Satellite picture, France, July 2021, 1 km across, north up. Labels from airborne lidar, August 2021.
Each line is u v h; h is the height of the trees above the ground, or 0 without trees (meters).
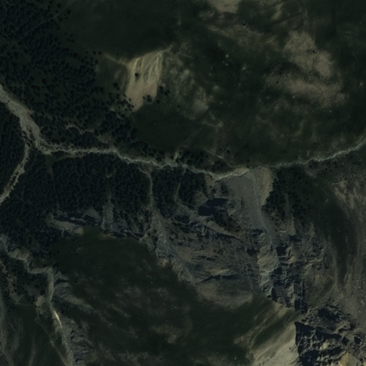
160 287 0
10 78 24
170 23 0
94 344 0
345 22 0
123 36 0
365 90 0
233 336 0
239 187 0
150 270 0
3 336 0
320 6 0
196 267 0
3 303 0
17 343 0
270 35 0
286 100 0
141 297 0
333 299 0
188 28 0
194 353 0
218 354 0
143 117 0
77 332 0
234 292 0
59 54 17
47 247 13
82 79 19
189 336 0
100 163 14
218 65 0
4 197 0
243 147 0
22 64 0
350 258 0
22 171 0
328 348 0
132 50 0
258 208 0
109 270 0
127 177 14
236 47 0
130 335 0
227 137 0
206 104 0
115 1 0
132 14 0
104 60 0
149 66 0
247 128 0
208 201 0
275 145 0
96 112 20
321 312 0
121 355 0
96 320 0
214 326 0
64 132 17
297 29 0
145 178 8
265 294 0
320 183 0
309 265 0
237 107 0
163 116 0
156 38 0
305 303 0
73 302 0
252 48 0
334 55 0
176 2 0
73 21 0
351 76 0
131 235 13
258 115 0
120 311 0
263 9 0
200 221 0
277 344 0
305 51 0
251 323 0
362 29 0
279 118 0
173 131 0
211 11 0
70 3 0
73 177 13
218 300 0
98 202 11
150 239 0
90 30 0
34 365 0
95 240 0
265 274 0
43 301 0
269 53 0
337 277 0
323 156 0
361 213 0
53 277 0
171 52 0
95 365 0
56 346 0
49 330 0
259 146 0
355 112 0
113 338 0
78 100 24
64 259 0
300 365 0
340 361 0
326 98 0
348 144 0
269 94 0
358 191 0
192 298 0
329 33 0
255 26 0
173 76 0
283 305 0
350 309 0
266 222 0
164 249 0
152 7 0
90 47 0
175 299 0
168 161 0
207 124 0
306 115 0
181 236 0
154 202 0
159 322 0
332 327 0
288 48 0
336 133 0
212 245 0
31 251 10
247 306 0
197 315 0
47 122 17
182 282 0
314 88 0
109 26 0
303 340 0
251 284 0
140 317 0
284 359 0
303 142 0
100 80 0
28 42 16
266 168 0
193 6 0
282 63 0
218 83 0
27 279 9
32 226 19
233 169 0
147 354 0
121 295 0
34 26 21
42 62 15
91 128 0
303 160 0
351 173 0
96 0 0
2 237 0
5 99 0
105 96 0
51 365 0
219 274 0
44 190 16
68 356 0
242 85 0
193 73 0
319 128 0
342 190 0
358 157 0
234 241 0
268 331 0
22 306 0
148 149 14
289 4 0
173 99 0
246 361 0
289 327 0
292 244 0
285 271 0
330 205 0
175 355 0
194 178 19
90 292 0
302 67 0
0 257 12
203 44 0
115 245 0
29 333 0
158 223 0
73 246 0
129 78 0
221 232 0
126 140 18
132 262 0
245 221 0
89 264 0
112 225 0
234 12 0
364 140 0
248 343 0
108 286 0
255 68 0
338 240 0
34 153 14
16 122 14
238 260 0
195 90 0
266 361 0
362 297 0
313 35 0
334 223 0
